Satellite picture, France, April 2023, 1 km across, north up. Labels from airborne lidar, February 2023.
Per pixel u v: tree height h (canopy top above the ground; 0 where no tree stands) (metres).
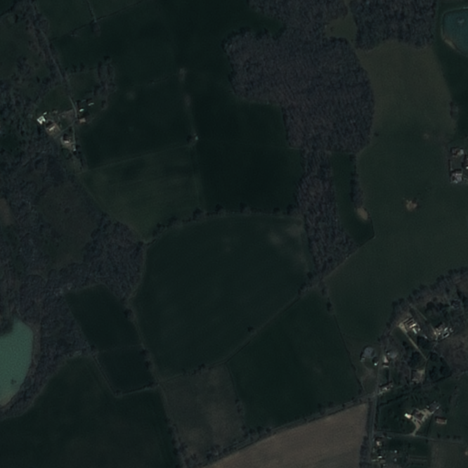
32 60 0
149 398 0
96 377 0
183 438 0
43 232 15
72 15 0
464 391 0
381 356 0
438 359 9
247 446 0
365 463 12
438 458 0
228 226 0
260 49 20
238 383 0
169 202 0
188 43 0
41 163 10
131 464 0
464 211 0
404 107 0
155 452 0
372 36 24
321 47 18
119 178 0
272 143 0
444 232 0
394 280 0
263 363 0
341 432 0
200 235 0
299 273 0
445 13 0
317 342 0
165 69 0
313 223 21
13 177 17
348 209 0
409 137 0
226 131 0
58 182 0
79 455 0
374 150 0
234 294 0
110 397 0
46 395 0
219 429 0
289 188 0
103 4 0
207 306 0
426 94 0
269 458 0
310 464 0
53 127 0
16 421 0
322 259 21
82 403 0
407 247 0
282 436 0
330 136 23
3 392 0
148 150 0
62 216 0
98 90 13
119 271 22
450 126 0
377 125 0
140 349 0
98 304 0
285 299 0
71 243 0
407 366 11
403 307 15
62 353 6
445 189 0
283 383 0
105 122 0
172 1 0
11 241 0
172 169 0
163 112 0
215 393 0
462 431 0
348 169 0
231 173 0
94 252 15
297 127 23
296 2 19
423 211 0
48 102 0
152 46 0
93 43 0
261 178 0
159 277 0
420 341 13
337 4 21
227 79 0
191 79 0
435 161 0
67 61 0
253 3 18
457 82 0
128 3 0
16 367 0
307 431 0
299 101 24
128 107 0
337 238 22
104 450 0
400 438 0
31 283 6
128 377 0
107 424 0
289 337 0
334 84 16
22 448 0
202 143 0
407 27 14
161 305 0
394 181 0
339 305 0
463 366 0
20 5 14
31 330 0
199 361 0
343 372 0
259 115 0
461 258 0
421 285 0
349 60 21
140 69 0
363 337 0
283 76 24
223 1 0
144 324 0
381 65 0
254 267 0
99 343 0
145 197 0
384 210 0
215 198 0
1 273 18
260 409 0
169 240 0
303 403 0
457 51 0
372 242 0
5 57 0
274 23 0
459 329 16
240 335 0
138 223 0
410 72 0
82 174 0
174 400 0
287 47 19
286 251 0
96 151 0
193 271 0
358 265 0
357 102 21
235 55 18
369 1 16
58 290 6
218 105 0
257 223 0
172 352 0
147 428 0
